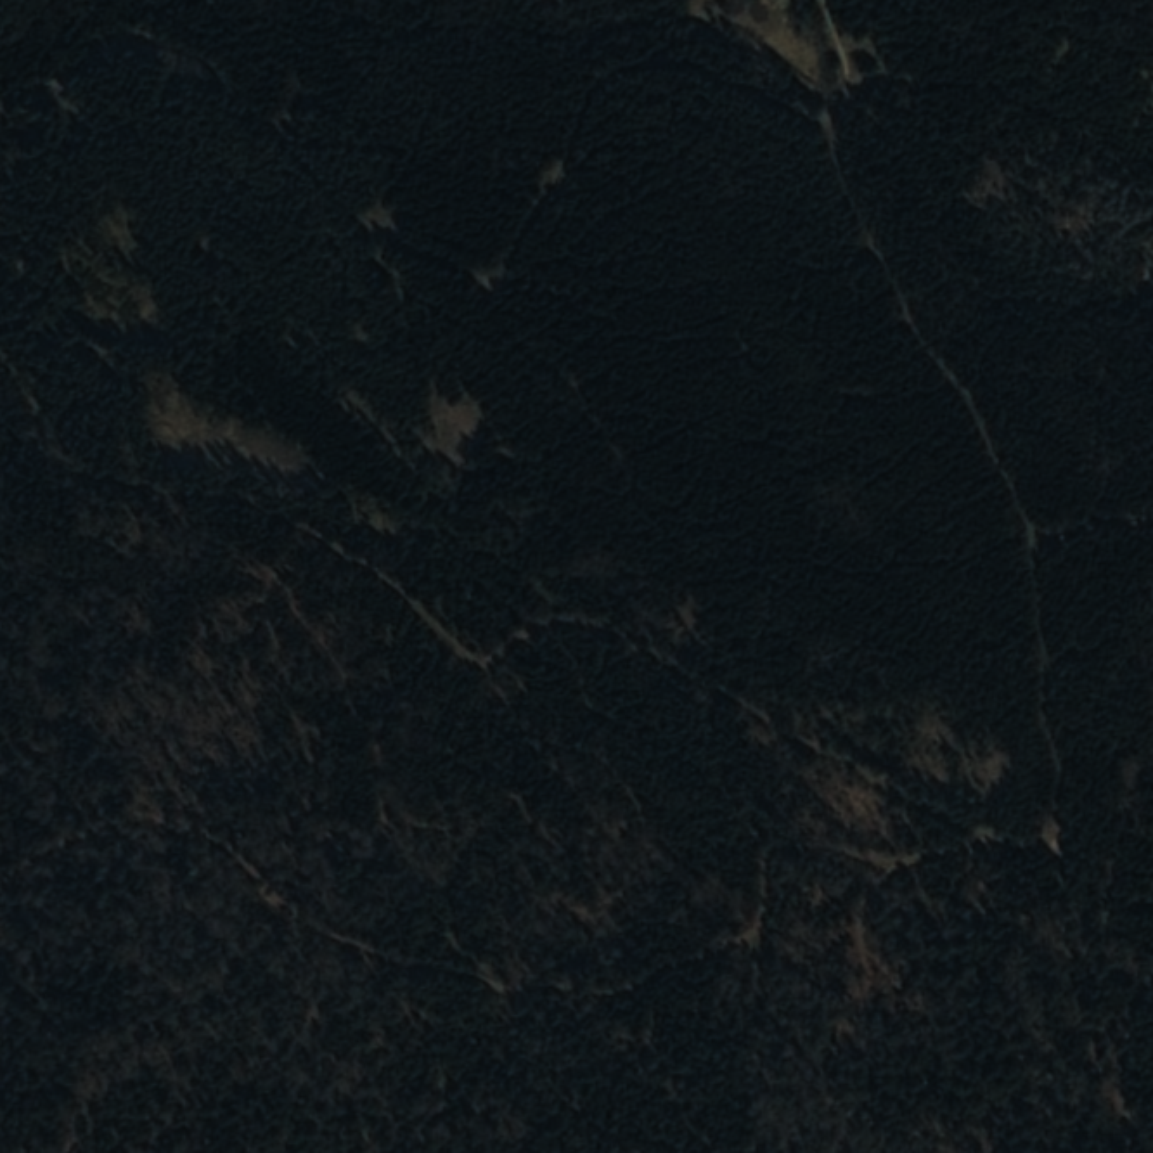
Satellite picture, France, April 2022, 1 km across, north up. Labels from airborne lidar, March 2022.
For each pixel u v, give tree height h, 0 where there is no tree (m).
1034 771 19
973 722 25
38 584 13
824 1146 41
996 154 17
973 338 21
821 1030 18
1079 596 21
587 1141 11
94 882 14
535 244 15
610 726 13
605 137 18
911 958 22
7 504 21
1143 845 20
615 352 18
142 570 10
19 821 10
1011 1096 36
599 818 18
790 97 17
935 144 23
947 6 25
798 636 18
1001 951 34
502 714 16
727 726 11
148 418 33
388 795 13
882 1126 35
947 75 23
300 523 16
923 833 13
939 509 18
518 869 23
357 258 27
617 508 19
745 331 15
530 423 17
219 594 6
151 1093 14
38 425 22
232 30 23
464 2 20
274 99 21
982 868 15
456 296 18
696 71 25
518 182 24
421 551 17
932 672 13
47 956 13
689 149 16
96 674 14
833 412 12
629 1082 24
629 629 16
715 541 18
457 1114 21
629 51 22
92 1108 6
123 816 31
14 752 8
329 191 27
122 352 27
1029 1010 36
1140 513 20
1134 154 9
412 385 18
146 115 31
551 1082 13
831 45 13
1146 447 15
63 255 26
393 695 8
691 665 19
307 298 18
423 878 16
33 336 24
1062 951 20
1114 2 16
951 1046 18
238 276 29
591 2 19
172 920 11
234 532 18
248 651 15
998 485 19
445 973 14
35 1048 18
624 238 19
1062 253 10
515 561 15
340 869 31
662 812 8
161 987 28
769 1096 28
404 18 24
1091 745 23
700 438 15
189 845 18
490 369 16
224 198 29
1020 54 17
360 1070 11
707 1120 13
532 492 24
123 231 0
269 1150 23
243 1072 13
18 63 17
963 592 20
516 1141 26
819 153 27
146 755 11
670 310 17
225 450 0
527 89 26
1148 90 7
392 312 22
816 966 27
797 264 17
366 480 19
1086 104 16
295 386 18
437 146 25
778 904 19
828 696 22
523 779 15
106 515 21
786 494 18
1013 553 19
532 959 9
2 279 23
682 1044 10
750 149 23
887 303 22
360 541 16
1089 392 25
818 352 12
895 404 16
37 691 18
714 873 15
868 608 20
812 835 7
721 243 15
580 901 9
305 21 20
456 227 17
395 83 23
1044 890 14
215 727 17
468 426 0
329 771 22
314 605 9
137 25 19
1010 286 18
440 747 14
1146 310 8
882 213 22
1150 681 22
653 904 12
